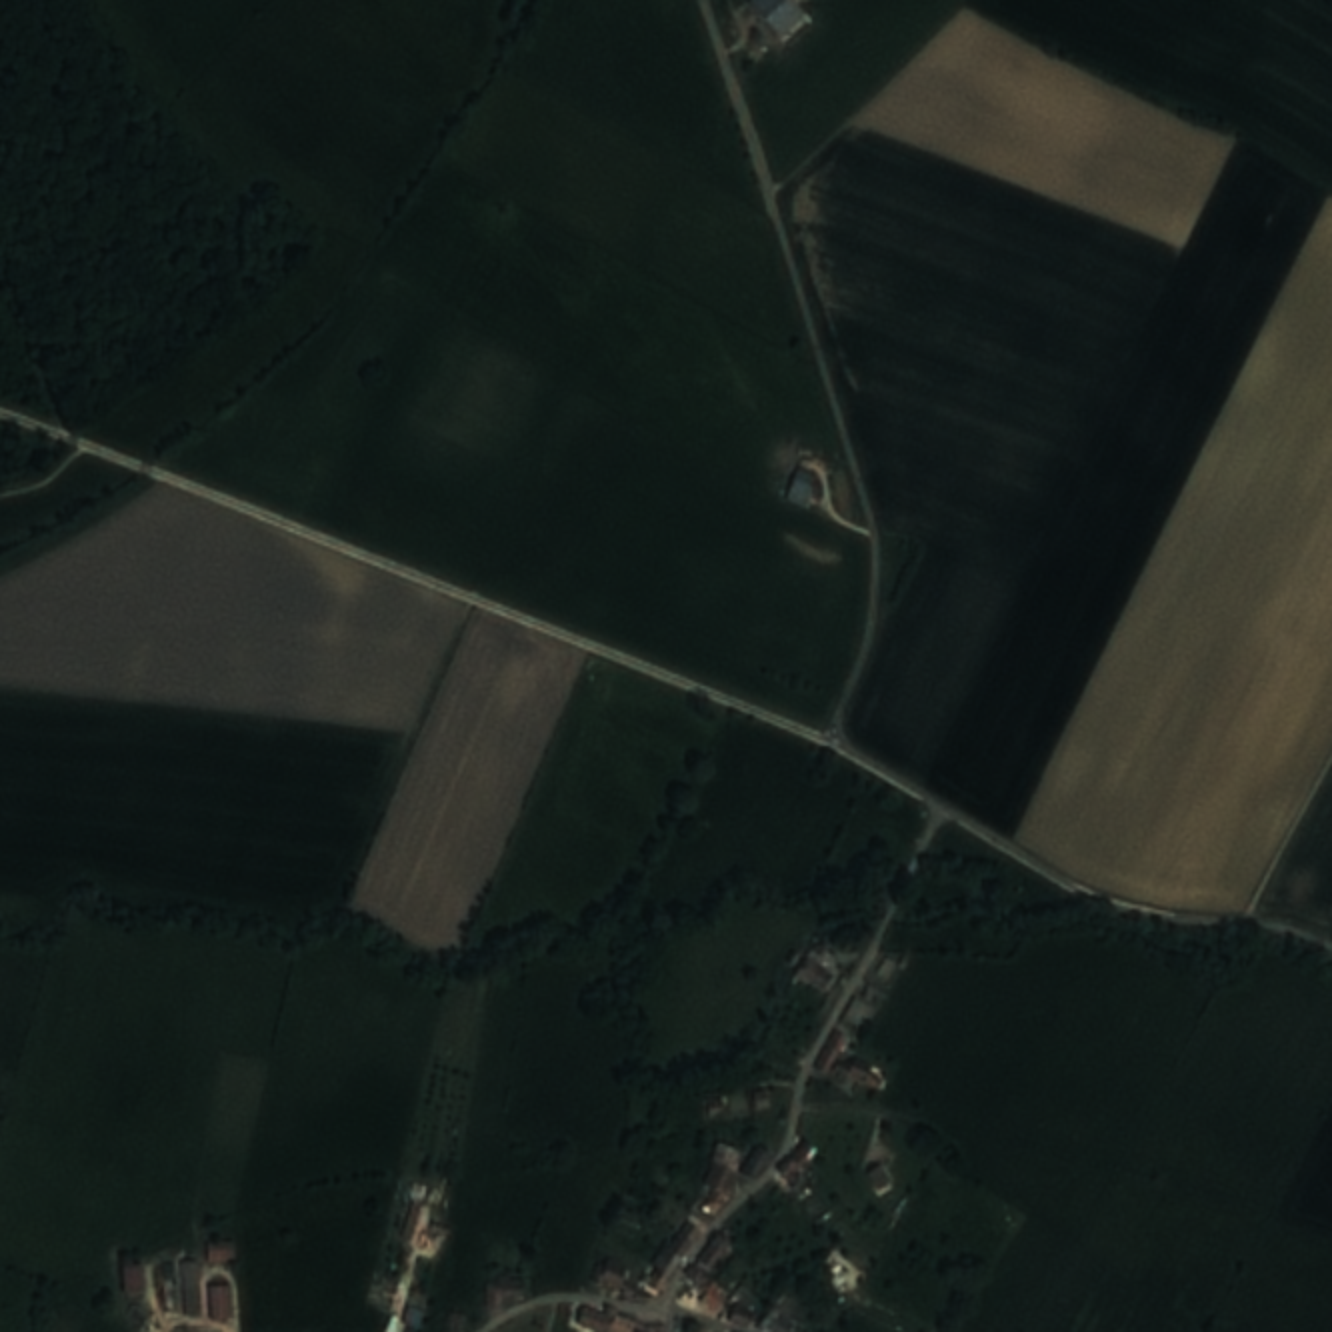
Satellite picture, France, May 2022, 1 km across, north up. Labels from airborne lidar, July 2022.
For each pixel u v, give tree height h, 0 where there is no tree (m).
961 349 0
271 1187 0
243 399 11
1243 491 0
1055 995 0
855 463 0
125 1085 0
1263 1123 0
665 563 0
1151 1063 0
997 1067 0
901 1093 0
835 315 0
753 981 13
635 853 0
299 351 5
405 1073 0
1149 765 0
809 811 0
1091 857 0
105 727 0
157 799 0
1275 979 0
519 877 0
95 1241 0
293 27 0
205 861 0
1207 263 0
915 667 0
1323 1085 0
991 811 0
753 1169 0
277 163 0
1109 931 14
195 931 17
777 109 0
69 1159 0
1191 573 0
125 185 28
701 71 0
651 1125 7
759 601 0
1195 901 0
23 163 27
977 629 0
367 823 0
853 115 0
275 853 0
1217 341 0
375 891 0
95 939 0
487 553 0
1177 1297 0
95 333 22
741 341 0
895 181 0
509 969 18
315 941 19
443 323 0
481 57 0
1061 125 0
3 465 11
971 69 0
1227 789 0
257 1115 0
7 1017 0
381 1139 0
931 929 15
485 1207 0
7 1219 0
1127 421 0
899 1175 0
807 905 13
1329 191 0
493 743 0
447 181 0
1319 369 0
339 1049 0
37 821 0
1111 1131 0
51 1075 0
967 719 0
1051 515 0
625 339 0
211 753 0
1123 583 0
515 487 0
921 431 0
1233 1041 0
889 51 0
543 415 0
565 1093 0
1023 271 0
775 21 0
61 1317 0
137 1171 0
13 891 0
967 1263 9
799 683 9
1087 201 0
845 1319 7
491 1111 0
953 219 0
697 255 0
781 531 0
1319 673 0
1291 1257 0
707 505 0
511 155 0
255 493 0
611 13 0
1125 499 0
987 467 0
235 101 0
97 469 0
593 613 0
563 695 0
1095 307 0
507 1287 0
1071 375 0
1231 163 0
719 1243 0
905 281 0
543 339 0
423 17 0
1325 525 0
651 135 0
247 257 31
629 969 26
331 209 0
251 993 0
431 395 0
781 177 0
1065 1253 0
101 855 0
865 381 0
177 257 28
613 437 0
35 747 0
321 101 0
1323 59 0
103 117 29
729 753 0
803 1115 0
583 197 0
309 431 0
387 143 0
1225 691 0
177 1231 0
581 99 0
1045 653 0
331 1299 0
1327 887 0
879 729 0
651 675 0
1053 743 0
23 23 28
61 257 28
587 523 0
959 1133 0
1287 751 0
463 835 0
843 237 0
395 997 0
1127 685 0
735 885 21
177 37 0
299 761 0
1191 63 0
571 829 0
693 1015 0
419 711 0
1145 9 0
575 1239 0
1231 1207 0
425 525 0
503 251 0
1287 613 0
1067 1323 0
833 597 0
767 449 0
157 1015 0
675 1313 0
